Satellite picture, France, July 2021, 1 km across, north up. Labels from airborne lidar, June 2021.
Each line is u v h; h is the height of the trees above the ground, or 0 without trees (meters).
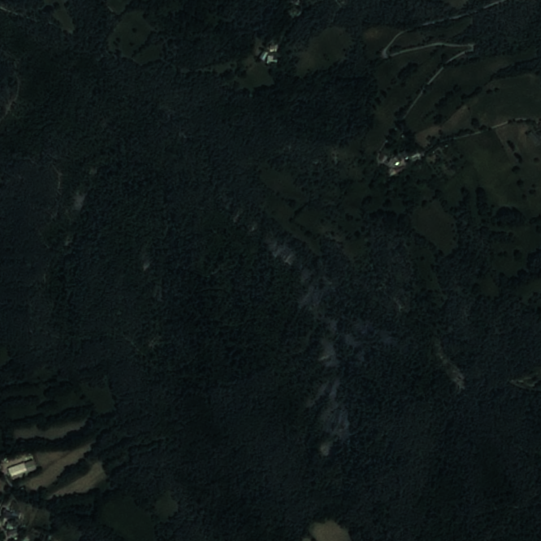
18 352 13
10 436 13
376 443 12
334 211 7
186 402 16
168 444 12
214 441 14
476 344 15
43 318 15
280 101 20
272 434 11
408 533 17
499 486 15
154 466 13
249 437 19
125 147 11
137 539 0
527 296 0
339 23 7
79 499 13
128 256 17
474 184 0
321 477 16
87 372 17
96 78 20
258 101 19
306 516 8
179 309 8
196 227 16
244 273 6
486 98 0
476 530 14
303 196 0
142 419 16
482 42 12
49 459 0
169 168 17
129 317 14
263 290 13
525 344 9
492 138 0
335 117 13
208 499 9
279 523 14
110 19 19
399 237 11
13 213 23
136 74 13
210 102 14
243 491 13
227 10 14
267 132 11
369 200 14
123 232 12
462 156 7
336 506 14
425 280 10
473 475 13
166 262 10
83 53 9
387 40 0
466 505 11
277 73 12
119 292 12
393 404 10
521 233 0
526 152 0
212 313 6
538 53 8
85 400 10
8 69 16
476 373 16
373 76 14
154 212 14
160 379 11
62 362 15
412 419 13
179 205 12
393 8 12
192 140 12
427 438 14
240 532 19
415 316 13
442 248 0
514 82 0
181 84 12
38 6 21
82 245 14
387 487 17
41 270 18
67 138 20
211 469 21
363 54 7
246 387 18
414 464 14
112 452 16
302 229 9
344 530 0
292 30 11
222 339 8
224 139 15
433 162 8
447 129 0
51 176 15
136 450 21
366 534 14
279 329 8
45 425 14
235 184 16
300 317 12
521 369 14
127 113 6
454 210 10
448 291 9
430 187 12
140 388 13
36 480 0
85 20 24
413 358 8
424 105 0
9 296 17
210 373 6
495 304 9
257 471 16
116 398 17
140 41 0
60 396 12
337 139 10
